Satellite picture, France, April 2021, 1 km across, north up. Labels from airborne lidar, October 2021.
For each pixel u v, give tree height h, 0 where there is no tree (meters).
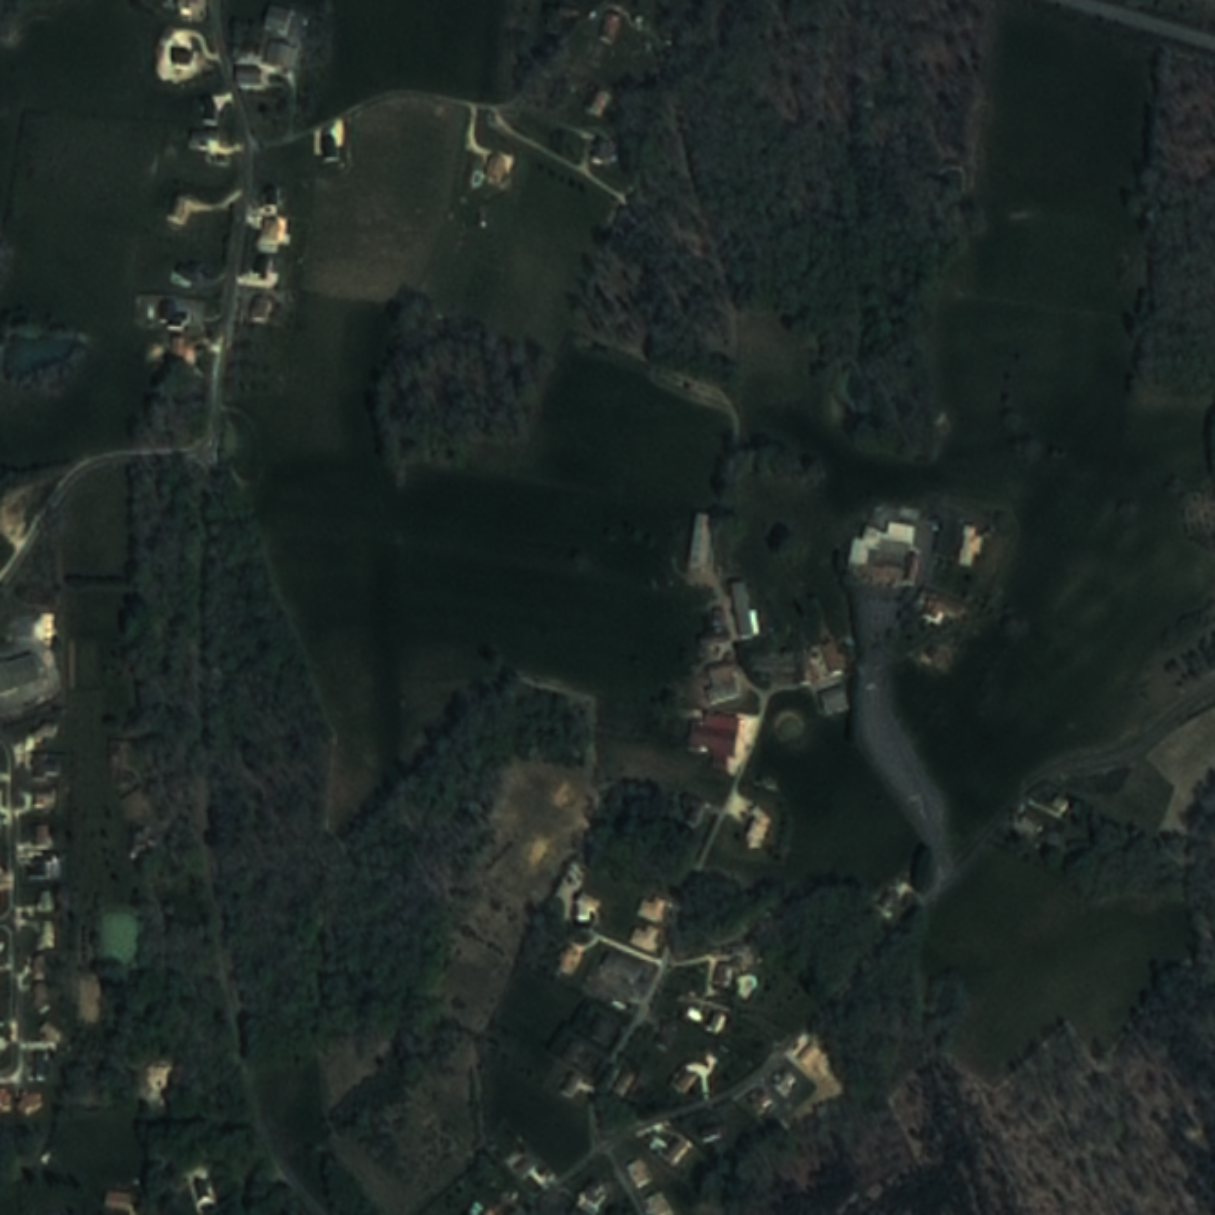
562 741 12
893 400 26
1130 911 0
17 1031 0
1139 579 0
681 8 14
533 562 0
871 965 21
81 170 0
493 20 0
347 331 0
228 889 20
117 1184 0
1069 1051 21
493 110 0
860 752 0
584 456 0
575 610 0
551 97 14
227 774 19
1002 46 0
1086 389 0
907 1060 10
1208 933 19
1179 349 21
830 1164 11
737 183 22
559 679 0
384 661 0
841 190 26
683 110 17
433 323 22
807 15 23
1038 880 0
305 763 22
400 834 20
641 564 0
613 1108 16
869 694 0
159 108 0
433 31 0
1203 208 17
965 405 0
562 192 0
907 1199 8
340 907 27
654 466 0
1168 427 0
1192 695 0
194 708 22
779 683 0
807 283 20
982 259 0
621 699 0
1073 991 0
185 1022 24
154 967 17
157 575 20
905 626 8
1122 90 0
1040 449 8
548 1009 0
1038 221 0
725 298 20
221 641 25
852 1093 25
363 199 0
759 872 0
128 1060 15
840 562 6
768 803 0
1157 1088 11
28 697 0
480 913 0
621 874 17
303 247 0
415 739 0
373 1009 25
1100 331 0
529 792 0
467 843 25
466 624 0
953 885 0
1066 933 0
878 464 0
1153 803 0
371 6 0
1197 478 0
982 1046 0
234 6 0
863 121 25
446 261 0
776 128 22
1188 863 15
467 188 0
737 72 25
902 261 22
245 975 19
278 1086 0
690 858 17
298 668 19
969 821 0
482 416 24
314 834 17
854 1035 26
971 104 13
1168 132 8
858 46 15
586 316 19
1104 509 0
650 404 0
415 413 22
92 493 0
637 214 16
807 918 24
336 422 0
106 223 0
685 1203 0
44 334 6
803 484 12
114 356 0
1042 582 0
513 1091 0
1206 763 0
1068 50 0
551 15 6
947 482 0
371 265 0
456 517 0
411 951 19
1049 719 0
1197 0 12
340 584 0
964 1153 7
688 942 20
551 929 19
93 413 0
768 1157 22
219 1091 14
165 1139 15
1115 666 0
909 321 23
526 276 0
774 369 0
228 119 0
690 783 0
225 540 23
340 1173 11
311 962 21
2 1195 13
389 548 0
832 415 0
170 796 19
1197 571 0
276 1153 0
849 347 23
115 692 0
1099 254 0
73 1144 0
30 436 0
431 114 0
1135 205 16
